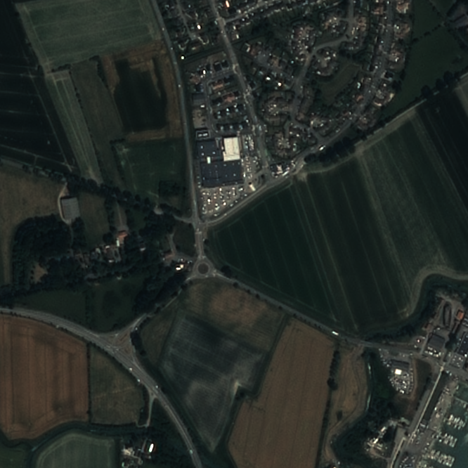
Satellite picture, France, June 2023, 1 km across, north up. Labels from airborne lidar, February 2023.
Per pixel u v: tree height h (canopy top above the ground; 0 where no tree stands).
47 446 0
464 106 0
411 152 0
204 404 0
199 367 0
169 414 0
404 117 0
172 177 0
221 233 0
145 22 0
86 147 0
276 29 0
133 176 0
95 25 0
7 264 0
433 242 0
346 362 0
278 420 0
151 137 0
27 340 0
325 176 0
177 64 0
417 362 0
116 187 0
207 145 0
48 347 0
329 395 0
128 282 0
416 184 0
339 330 0
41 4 0
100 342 0
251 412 0
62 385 0
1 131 0
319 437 0
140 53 0
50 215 0
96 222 0
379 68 0
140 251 14
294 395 0
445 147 0
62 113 0
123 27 0
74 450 0
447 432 0
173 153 0
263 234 0
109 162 0
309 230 0
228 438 0
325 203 0
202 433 0
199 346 0
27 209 0
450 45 0
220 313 0
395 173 0
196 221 0
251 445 0
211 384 0
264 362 0
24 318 0
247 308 0
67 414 0
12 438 0
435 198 0
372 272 0
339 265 0
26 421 0
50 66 0
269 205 0
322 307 0
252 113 0
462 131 0
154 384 0
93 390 0
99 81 0
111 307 0
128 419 0
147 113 0
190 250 0
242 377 0
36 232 21
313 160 14
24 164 0
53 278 21
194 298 0
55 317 0
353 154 0
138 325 0
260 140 0
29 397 0
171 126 0
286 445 0
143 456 6
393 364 0
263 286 0
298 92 0
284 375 0
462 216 0
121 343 0
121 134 0
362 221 0
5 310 0
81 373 0
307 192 0
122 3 0
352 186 0
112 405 0
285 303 0
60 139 0
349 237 0
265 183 0
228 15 0
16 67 0
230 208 0
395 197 0
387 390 0
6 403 0
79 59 0
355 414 0
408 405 0
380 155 0
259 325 0
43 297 0
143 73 0
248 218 0
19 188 0
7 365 0
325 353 0
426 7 0
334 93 0
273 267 0
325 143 0
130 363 0
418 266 0
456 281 0
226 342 0
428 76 0
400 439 0
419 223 0
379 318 0
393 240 0
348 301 0
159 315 0
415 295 0
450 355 0
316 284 0
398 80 0
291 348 0
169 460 7
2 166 0
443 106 0
